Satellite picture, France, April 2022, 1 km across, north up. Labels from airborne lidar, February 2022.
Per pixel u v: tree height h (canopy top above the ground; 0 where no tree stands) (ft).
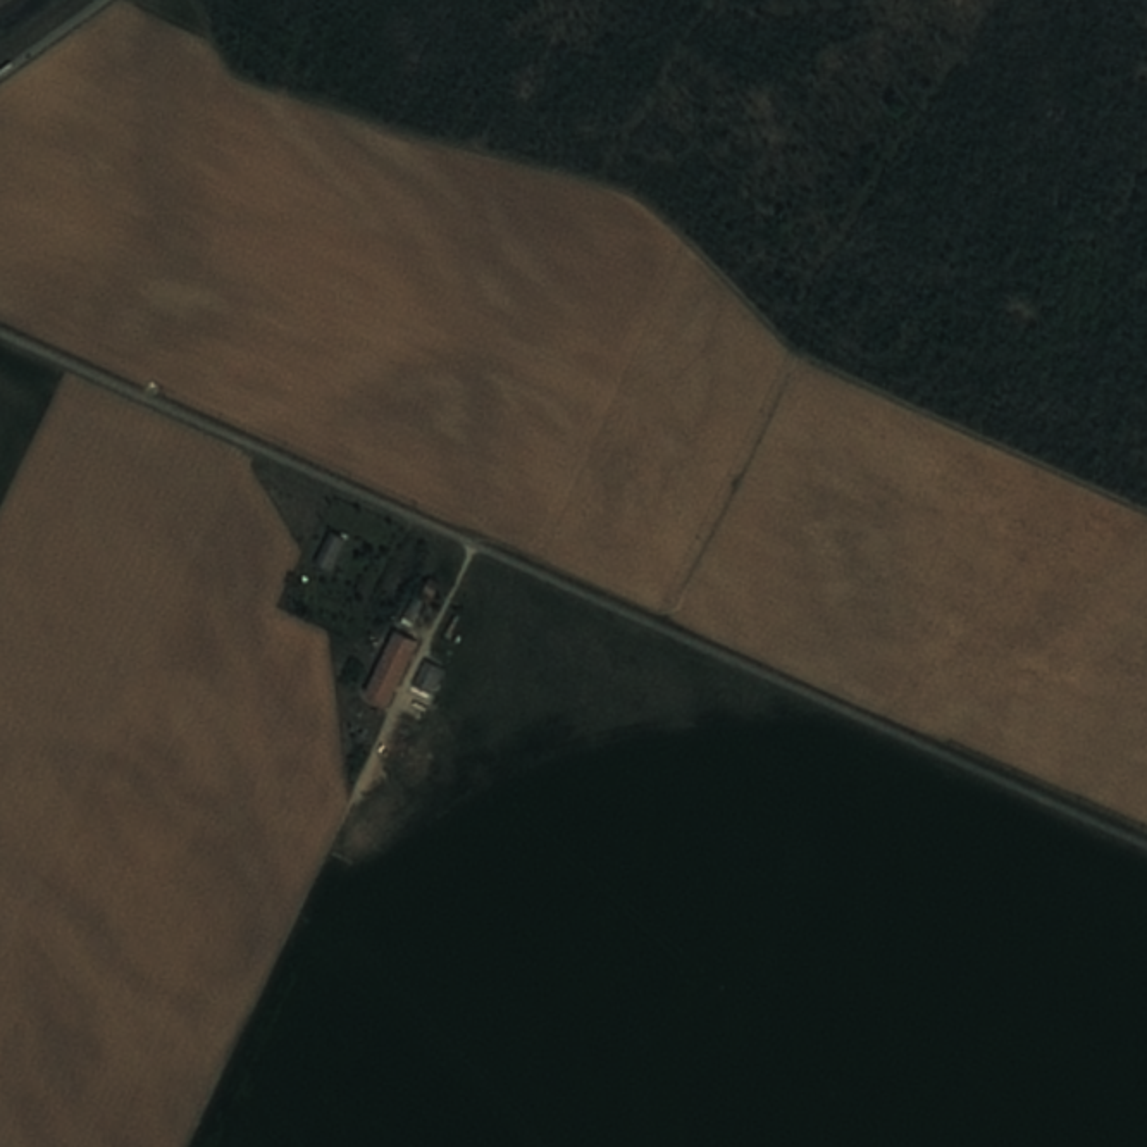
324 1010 0
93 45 0
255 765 0
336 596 0
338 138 0
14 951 0
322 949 0
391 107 32
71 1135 0
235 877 0
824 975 0
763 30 33
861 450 0
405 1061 0
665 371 0
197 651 0
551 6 34
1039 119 34
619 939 0
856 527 0
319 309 0
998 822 0
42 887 0
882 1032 0
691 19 52
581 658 0
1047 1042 0
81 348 0
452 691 0
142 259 0
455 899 0
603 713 0
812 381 0
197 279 0
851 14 43
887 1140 0
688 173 38
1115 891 0
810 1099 0
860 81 34
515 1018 0
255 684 0
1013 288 42
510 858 0
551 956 0
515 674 0
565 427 0
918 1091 0
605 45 48
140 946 0
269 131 0
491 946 0
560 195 0
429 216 0
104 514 0
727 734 0
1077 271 34
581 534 0
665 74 43
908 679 0
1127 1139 0
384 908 0
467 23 19
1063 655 0
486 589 0
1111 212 27
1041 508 0
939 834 0
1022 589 0
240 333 0
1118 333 46
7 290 0
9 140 0
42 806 0
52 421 0
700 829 0
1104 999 0
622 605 0
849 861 0
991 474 0
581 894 0
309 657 0
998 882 0
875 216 22
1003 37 28
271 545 0
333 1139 0
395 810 0
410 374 0
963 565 0
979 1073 0
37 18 0
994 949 0
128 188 0
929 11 0
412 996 0
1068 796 0
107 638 0
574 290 0
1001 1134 0
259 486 0
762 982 0
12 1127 0
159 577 0
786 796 0
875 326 47
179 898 0
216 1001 0
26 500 0
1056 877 0
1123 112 27
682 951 0
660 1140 0
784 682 0
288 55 39
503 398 0
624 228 0
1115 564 0
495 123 21
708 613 0
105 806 0
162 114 0
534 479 0
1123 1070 0
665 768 0
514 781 0
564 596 0
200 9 0
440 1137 0
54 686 0
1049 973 0
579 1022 0
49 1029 0
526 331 0
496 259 0
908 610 0
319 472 0
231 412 0
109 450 0
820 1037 0
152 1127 0
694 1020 0
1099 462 28
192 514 0
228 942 0
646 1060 0
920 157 32
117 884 0
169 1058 0
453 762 0
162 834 0
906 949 0
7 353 0
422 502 0
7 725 0
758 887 0
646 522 0
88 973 0
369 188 0
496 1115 0
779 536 0
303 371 0
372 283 0
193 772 0
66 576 0
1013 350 45
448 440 0
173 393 0
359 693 0
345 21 30
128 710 0
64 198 0
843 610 0
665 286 0
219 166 0
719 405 0
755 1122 0
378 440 0
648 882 0
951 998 0
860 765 0
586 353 0
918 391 39
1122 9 32
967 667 0
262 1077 0
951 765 0
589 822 0
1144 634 0
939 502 0
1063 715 0
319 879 0
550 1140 0
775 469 0
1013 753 0
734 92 35
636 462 0
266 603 0
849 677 0
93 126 0
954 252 41
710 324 0
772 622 0
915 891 0
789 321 28
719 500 0
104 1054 0
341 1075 0
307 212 0
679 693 0
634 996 0
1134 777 0
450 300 0
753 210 37
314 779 0
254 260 0
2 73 0
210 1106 0
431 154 0
